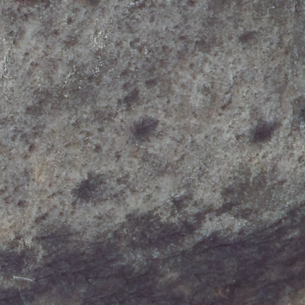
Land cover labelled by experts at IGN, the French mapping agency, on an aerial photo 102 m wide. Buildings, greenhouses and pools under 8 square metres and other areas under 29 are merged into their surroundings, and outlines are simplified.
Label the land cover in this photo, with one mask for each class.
<instances>
[{"label":"bare soil","instance_id":"1","mask_svg":"<svg viewBox=\"0 0 305 305\"><path fill-rule=\"evenodd\" d=\"M279 219L288 232V235L282 236L285 239L305 234V0H0V273L6 280H17L13 286L15 290L31 288L35 280L32 278L33 269L55 260L56 256L67 253L68 250L70 253L83 251L93 254V242L108 239V242L118 245L119 254L124 257L123 261L112 263L113 267L129 264L135 272L142 274L147 272L148 264H151L166 275L158 279V282L164 284L175 280L191 268V264L182 267L181 251L193 248L195 243L210 236L213 231L217 232L219 237L234 242L239 229L244 231V234H253L255 230ZM86 287L82 286L76 290L70 299H62L54 286L44 295L50 304L55 305H81Z\"/></svg>","mask_w":305,"mask_h":305},{"label":"coniferous trees","instance_id":"2","mask_svg":"<svg viewBox=\"0 0 305 305\"><path fill-rule=\"evenodd\" d=\"M288 235V232L279 219L255 230L253 234H244V231L239 229L234 242L219 237L217 232L213 231L210 236L195 243L193 248L181 251L182 267L191 264V268L175 280L164 284L158 282V279L166 275L151 264H148L147 272L142 274L135 272L129 264L113 267L112 263L123 261L124 257L119 254L118 245L108 242V239L93 242V254L83 251L70 253L68 250L67 253L56 256L55 260L33 269L32 278L35 280L31 288L15 290L13 286L17 280H6L0 273V305H55L50 304L44 295L54 286L62 299H70L76 290L82 286L86 287L81 305H305V234L285 239L282 236Z\"/></svg>","mask_w":305,"mask_h":305}]
</instances>
